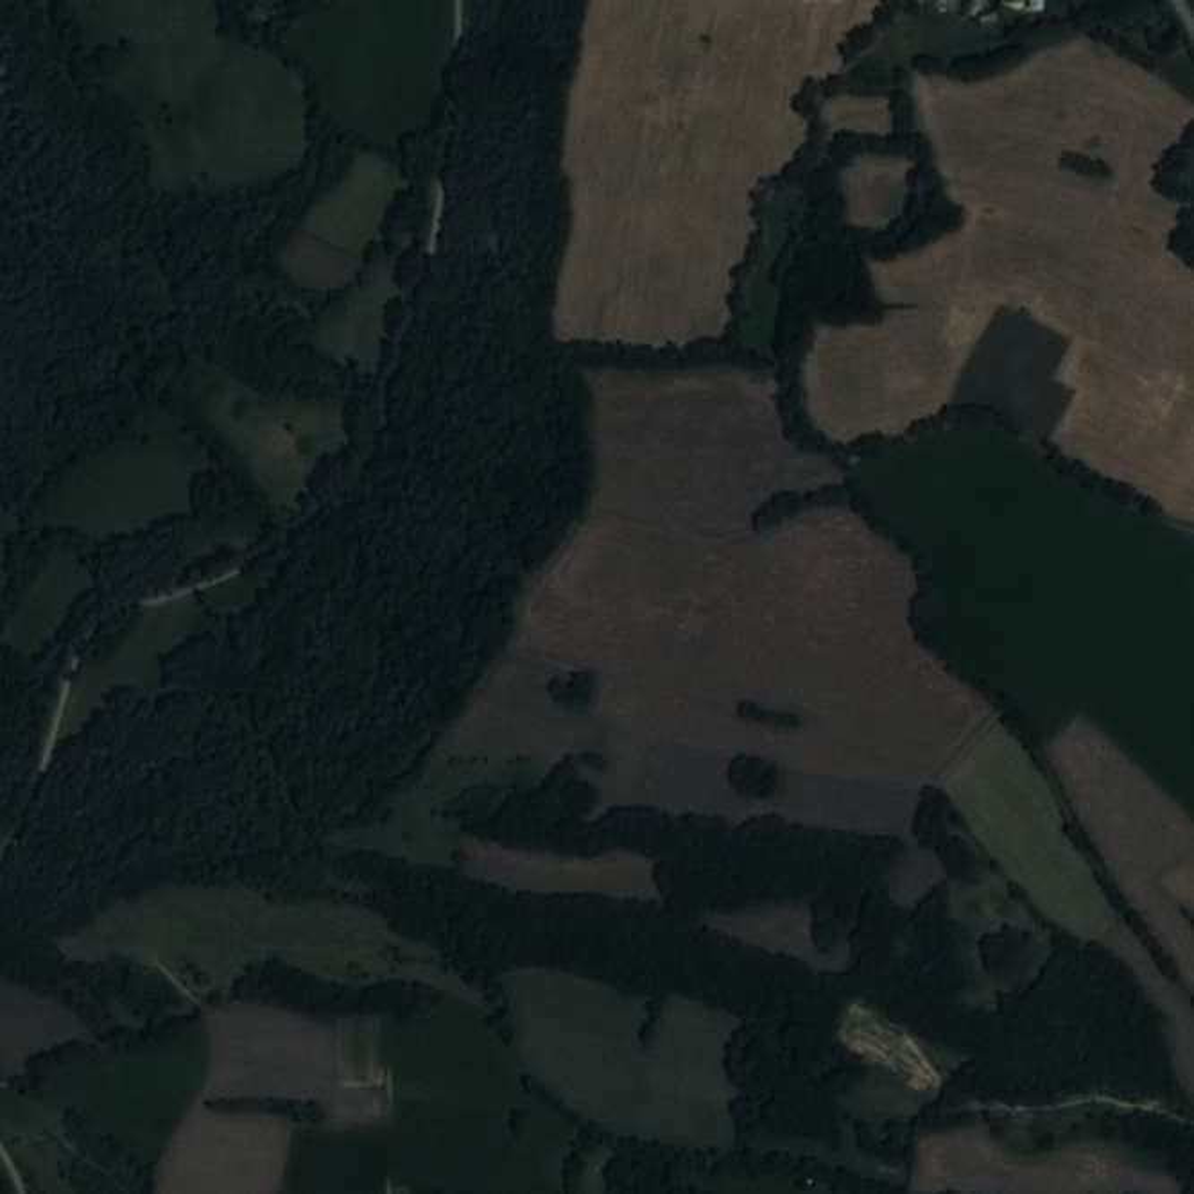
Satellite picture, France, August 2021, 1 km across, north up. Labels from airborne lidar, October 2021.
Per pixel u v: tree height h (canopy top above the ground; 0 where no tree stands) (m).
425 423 13
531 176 14
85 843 13
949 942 16
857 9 0
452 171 13
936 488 0
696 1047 0
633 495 0
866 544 0
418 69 0
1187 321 0
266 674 19
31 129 18
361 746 13
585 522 10
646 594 0
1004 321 0
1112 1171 0
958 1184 0
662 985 18
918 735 0
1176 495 0
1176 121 0
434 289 21
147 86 0
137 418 23
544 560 7
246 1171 0
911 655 0
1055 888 0
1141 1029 23
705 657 0
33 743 10
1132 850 0
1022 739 9
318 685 14
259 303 7
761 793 13
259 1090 0
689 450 0
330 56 0
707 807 0
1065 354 0
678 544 0
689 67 0
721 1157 16
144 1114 0
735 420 0
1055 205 0
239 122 0
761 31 0
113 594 20
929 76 7
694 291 0
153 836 8
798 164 12
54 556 14
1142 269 0
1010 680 0
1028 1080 12
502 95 12
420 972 0
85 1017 13
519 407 24
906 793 0
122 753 15
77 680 11
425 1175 0
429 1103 0
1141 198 0
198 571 14
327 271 0
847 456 18
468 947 21
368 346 0
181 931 0
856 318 20
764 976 17
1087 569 0
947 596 0
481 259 8
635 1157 10
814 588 0
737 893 17
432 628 11
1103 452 0
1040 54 0
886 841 13
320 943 0
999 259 0
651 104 0
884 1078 0
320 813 6
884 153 13
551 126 16
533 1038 0
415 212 19
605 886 0
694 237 0
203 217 13
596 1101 0
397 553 11
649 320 0
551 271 16
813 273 19
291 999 21
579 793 19
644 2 0
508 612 10
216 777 13
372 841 0
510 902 12
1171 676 0
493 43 9
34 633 0
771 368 12
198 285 17
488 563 11
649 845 18
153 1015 16
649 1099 0
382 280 0
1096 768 0
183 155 0
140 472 0
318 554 19
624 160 0
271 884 8
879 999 15
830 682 0
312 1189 0
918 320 0
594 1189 0
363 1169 0
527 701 0
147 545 20
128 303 19
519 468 21
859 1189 15
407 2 0
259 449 0
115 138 17
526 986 0
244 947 0
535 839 13
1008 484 0
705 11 0
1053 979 14
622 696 0
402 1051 0
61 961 13
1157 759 0
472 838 9
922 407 0
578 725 0
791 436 15
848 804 0
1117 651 0
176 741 17
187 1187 0
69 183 23
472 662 15
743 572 0
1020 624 0
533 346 23
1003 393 0
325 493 23
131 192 22
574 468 20
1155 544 0
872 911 17
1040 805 0
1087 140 0
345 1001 22
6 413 23
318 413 0
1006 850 0
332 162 10
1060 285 0
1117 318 0
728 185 0
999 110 0
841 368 0
